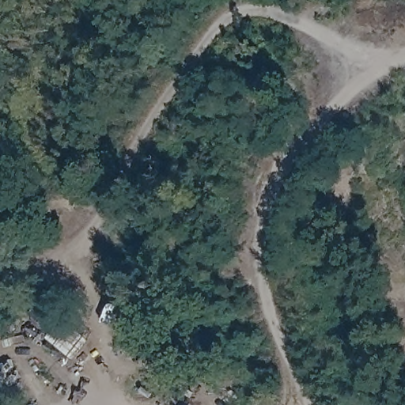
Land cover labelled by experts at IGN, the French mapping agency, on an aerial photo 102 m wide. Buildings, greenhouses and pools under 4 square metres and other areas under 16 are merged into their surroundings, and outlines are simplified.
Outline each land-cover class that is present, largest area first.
<instances>
[{"label":"deciduous trees","instance_id":"1","mask_svg":"<svg viewBox=\"0 0 405 405\"><path fill-rule=\"evenodd\" d=\"M310 2L326 5L327 13H331V21L346 14L354 17L356 9H359V0H0V136L3 139H11L17 150V158L6 155L0 157V272L5 267H16L25 271L30 259H43L44 250L57 247L62 239L59 218L51 220L46 217L49 212L47 201L62 196L70 201V204L95 206L98 214L103 218L98 231L108 236L112 244L119 248L114 253V261L108 264L112 272L106 275V296L114 299L109 305H112V308L119 307L120 312L125 313V320L119 318L115 323L109 324L111 345L112 348L125 350L133 361L144 362L142 369L138 370V381L147 386L146 392H149L150 397H160L165 403L185 399V392L190 391L195 383H209L207 392L215 394L226 388V391H233L236 394L234 399L228 400V405H278L282 399V373L280 369H253L250 372L247 359L255 356L263 335H256L255 332L247 335L244 332H234L231 340H226L225 335L231 321L239 320L242 312H247L259 301L255 288L247 285L244 278L233 283L231 278L221 277L220 271L236 256L234 248L239 244L237 240L247 225V202L244 201L242 182L248 158L261 160L277 150L286 155L288 149L293 146L294 139H301L312 122L308 120L310 104L304 97V84L297 79L296 70V63L293 60L301 55L302 47L299 41L294 40V30L282 22L274 21L271 17L244 16L239 24L231 22L228 25H221L220 33L215 35L209 46L214 47L215 54H220L229 62H233L236 55H253L264 49L277 63V68H274V71H267L263 78L259 76L250 87L244 78H240L233 71L221 68L210 73L204 71L202 66H196L195 70L184 76L172 100L166 103V108L153 120L149 136L160 152L176 158L179 165L185 163L187 171L180 172V176L172 182H163L157 190H134L128 180L115 179V184L106 193L97 195L92 187L103 176L104 169L95 153L87 155V161L82 166L71 161L70 165L63 168L55 163L60 155L57 150H52L51 157H47L43 147L44 141L54 138L62 147L95 149L98 146V139L106 136L111 139L115 152L117 157H120L122 150L127 149L125 139L128 138V131L144 122L149 109L165 90L166 82L174 84L177 74V63H184L187 55H193L191 47L201 38L202 33L206 32L221 13L229 11L234 6L252 3L261 6H280L286 13H301ZM74 9L93 11L92 24L98 27V38H90L89 44L85 47H71L68 40L63 38V24H71L74 21ZM38 81L60 93L59 103L43 100L38 89ZM345 114L334 123H329L327 130L313 141L312 149L305 150L302 157L296 158L293 172L283 185V195L271 201V206H267L269 225L261 226L258 244L261 247V255L267 261V264H259L261 274L269 283L272 299L280 316L283 348L293 369L294 378L302 386V394L310 399L312 405H405V326L402 318L397 315V308L392 307L389 283L392 275L388 264H380V245L373 242L372 247H361L359 244V234L370 228L373 223L367 209L362 207L356 214L342 217V212L337 210V207L320 209L315 201L318 191H334V185L340 179V169L351 168L354 171L361 163L365 166L367 174L375 180L377 190L392 187L399 191L397 201L405 217V66L391 68L388 76L378 81V89L375 92L367 90L361 100L356 98L350 101L345 108ZM35 290L32 288L22 286L21 283L6 286L0 283V339L5 340L9 337L6 332L9 331V326L19 316H24L27 310H32L33 302ZM62 294L59 302L40 304L38 310L43 313V318L38 320V329L41 334L46 335L66 340L71 335L84 334L85 326L82 320L87 316L85 294L79 297L76 291L62 288L59 291ZM30 397H25L21 389L14 396L0 394V405H27Z\"/></svg>","mask_w":405,"mask_h":405},{"label":"pervious surface","instance_id":"2","mask_svg":"<svg viewBox=\"0 0 405 405\"><path fill-rule=\"evenodd\" d=\"M244 16L271 17L274 21L282 22L294 30L307 33L316 41H320L327 54L331 55L329 71L334 76V97L329 100L326 108L316 109L315 120L312 122L301 139H294L293 146L288 149L285 158H275L274 165H271L272 174H269L261 204L256 209L261 217V226L269 225L267 206H271V201L283 195V185L293 172L296 158L302 157L305 150L312 149L313 141L327 130L329 123H334L345 114V108L350 101L356 98L361 100L367 90L375 92L378 89V81L388 76L391 68L405 66V25L402 28L397 27L396 33L389 36V40L384 41L381 47H375L372 43L342 36L329 27L318 24L315 19L302 16L301 13H286L280 6H261L252 3L234 6L229 11L221 13L206 32L202 33L201 38L191 47L193 55L201 54L209 46L215 35L220 33L221 25H228L231 22L239 24ZM184 76L177 74L174 84L166 82L165 90L149 109L144 122L128 131V138L125 139L127 149L138 150L139 141L149 136L153 120L166 108V103L172 100ZM103 218L98 214L71 242L65 244L62 239L57 247L44 250L43 259L57 261L62 264L63 271L78 277L79 282L84 285L85 294L87 316L82 320L85 326L90 327V334L84 335L85 343L81 350L87 356L79 364L78 372L74 373L68 372L66 365L55 359L54 354L44 351L41 340H46V335L41 334L36 335L35 340L25 339L22 335L9 337L5 340L0 339V378L2 364H5L8 358L16 359V369L21 370L24 375L19 384L21 389L25 397H30L27 405H158L152 399L150 402H136L130 396H125V378L138 370L142 369L144 362L133 361L125 350L112 348L111 345L109 324L115 323L119 318L125 320V313L120 312L119 307L112 308V305H109L114 299L106 296V275L112 272L108 264L114 261V253L119 248L112 244L108 236L98 231ZM259 301L266 320L275 343V351L283 348L280 316L272 299L269 283L261 274L258 275V285L255 288ZM209 383H195L190 391L185 392V399L165 403V405H228V400L234 399L236 394L233 391H226V388L215 394L207 392Z\"/></svg>","mask_w":405,"mask_h":405},{"label":"herbaceous vegetation","instance_id":"3","mask_svg":"<svg viewBox=\"0 0 405 405\"><path fill-rule=\"evenodd\" d=\"M359 9H356L354 17L346 14L331 21V13H327L326 5L310 2L301 13L302 16L315 19L318 24L329 27L342 36L372 43L375 47H381L384 41L389 40V36L396 33L397 27L402 28L405 25V0H359ZM93 11L74 9V21L71 24H63V38L68 40L71 47H85L89 44L90 38H98V27L92 24ZM294 40L299 41L302 47L305 51H312L315 54L318 66L308 71L296 70L297 79L304 84V97L310 104L308 120L312 122L315 120L316 109L326 108L329 100L334 97V76L329 71L331 55L327 54L320 41H316L307 33L294 30ZM38 89L43 100L59 103L60 93L38 81ZM17 150L11 139H3L0 136V157L6 155L17 158ZM286 155L277 150L261 160L248 158L242 182L244 201L247 202V225L237 240L239 244L234 248L236 256L220 271L221 277L231 278L233 283L244 278L247 285L255 288L258 285V275L261 274L259 264H267V261L261 255V247L258 244L261 226V217L256 209L261 204L269 174H272L271 165H274L275 158H285ZM131 177L130 168L122 165L120 157H117L115 152L109 161V168L104 169L103 176L92 187L97 195L106 193L115 184V179L128 180ZM399 191L392 187L377 190L375 180L367 174L365 166L361 163L354 171L351 168L340 169V179L334 185V191H318L315 201L320 209L337 207V210L342 212V217L356 214L362 207L367 209L373 223L370 228L359 234V244L361 247H372L373 242L380 245V264H388L392 275L389 283L392 307L397 308V315L402 318L405 326V217L397 201ZM49 212L46 217L51 220L59 218L62 239L65 244L71 242L98 214L95 206L70 204V201L62 196L47 201ZM0 283L6 286L21 283L22 286L32 288L35 290L33 302L40 304L59 302L62 294L59 291L62 288L76 291L79 297L85 294L84 285L79 282L78 277L63 271L62 264L57 261L43 259H30L25 271L16 267H5L0 272ZM266 320L259 301L247 312H242L239 320L231 321L225 335L226 340H231L234 332H244L247 335L255 332L258 327L256 323ZM277 362L263 361L256 359L255 356L247 359L250 372L253 369H280L282 373V399L278 405H312L310 399L302 394V386L294 378L293 369L283 348L275 351Z\"/></svg>","mask_w":405,"mask_h":405},{"label":"brushwood","instance_id":"4","mask_svg":"<svg viewBox=\"0 0 405 405\"><path fill-rule=\"evenodd\" d=\"M196 66H202L204 71L210 73L221 68L233 71L240 78H244L250 87L259 76L263 78L267 71H274V68H277V63L264 49L253 55H236L233 62H229L220 54H215L214 47L209 46L201 54L193 55H187L184 63H177V74L184 76L195 70ZM296 63V70L308 71L318 66L315 54L312 51H305L302 47L301 55L293 60ZM43 147L47 157H51L52 150H57L60 155L55 163L63 168L70 165L71 161L82 166L87 161V155L95 153L104 169L109 168V161L115 152L111 139L106 136L98 139V146L95 149L62 147L54 138L44 141ZM122 165L130 168L131 177L128 180L134 190H157L163 182H172L180 176V172L187 171L185 163L179 165L176 158L160 152L149 136L139 141L138 150L127 149L122 150L120 157ZM258 327L255 332L256 335H263L255 356L256 359L263 361L277 362L275 351V343L266 320L256 323ZM138 370L125 378V396H130L136 402H150L152 399L158 405H165V403L160 397H150L149 392H146L147 386L138 381Z\"/></svg>","mask_w":405,"mask_h":405},{"label":"building","instance_id":"5","mask_svg":"<svg viewBox=\"0 0 405 405\"><path fill-rule=\"evenodd\" d=\"M40 304L33 302L32 310H27L24 316H19L9 326V331L6 332L9 337L22 335L25 339L35 340L36 335L41 334L38 329V320L43 318V313L38 310ZM90 334V327L85 326L84 334L71 335L66 340L46 335V340H41L44 351L54 354L55 359L66 365L68 372L74 373L78 372L79 364L87 356L81 350L85 343L84 335ZM24 375L21 370L16 369V359L8 358L5 364H2L0 378V394L14 396L21 389L19 384Z\"/></svg>","mask_w":405,"mask_h":405}]
</instances>
